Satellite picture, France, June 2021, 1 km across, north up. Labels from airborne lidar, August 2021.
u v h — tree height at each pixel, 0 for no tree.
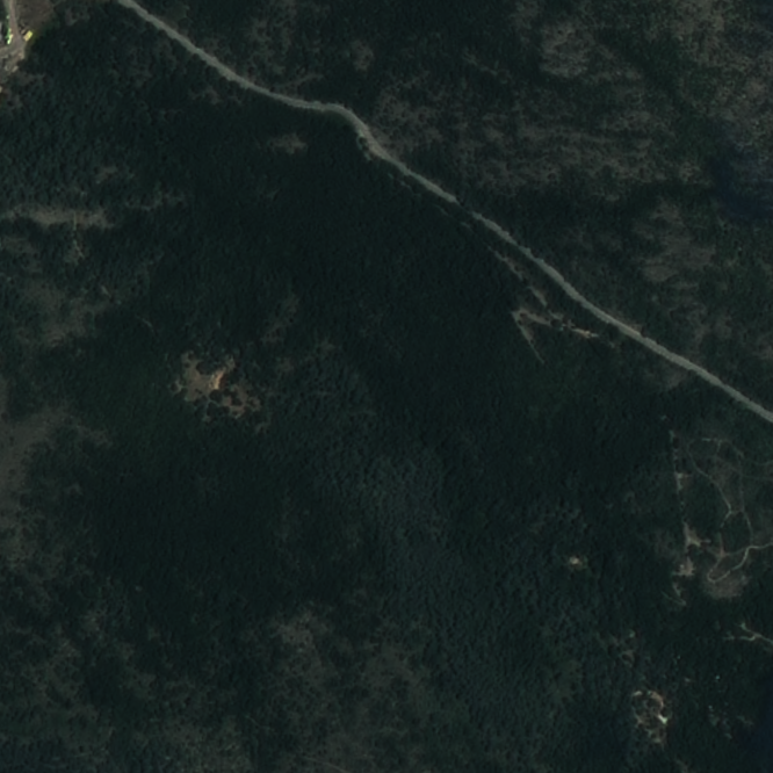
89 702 8
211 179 10
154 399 6
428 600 16
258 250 15
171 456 9
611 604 13
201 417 12
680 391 9
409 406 12
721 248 8
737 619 8
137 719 8
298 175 15
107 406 7
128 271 15
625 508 7
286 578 10
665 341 9
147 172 15
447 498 18
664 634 10
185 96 10
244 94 10
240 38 5
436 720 14
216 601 20
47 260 8
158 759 11
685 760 8
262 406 14
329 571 11
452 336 13
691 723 10
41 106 12
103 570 9
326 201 15
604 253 6
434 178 10
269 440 11
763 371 7
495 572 9
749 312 8
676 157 6
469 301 10
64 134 19
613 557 20
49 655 9
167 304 7
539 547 7
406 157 10
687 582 8
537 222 9
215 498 11
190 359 8
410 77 6
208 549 16
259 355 11
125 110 16
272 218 17
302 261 11
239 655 10
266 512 12
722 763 11
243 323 12
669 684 9
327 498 11
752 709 9
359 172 12
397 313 17
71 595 9
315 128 15
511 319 7
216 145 8
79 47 17
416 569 15
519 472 12
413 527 13
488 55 6
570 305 8
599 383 7
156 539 13
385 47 10
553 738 13
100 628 8
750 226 7
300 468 11
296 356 6
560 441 10
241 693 10
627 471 8
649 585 16
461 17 10
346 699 6
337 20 11
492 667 11
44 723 6
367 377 10
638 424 16
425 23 14
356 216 13
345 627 6
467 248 7
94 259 11
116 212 11
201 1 10
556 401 10
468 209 11
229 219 18
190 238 14
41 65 8
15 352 7
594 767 10
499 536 13
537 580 19
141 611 10
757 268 7
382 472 17
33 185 13
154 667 11
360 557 11
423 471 12
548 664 9
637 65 7
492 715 16
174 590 16
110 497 6
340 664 6
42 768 8
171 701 7
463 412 9
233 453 11
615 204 6
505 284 12
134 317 9
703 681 8
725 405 7
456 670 16
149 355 9
